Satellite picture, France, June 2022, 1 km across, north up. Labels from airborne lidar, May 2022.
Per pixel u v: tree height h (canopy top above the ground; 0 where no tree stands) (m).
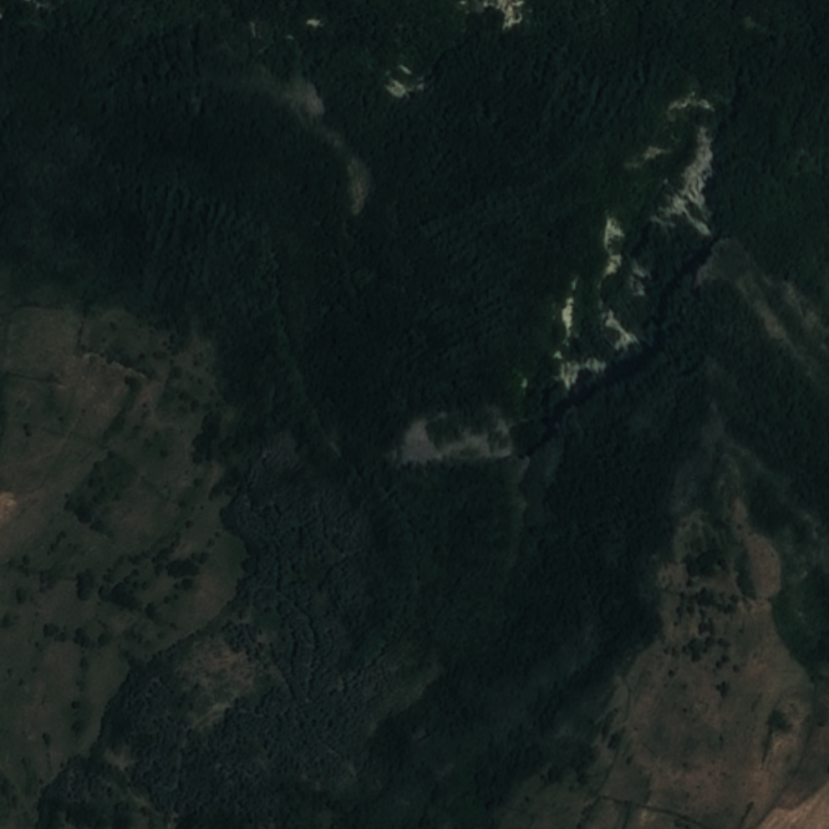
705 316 11
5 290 0
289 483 14
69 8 18
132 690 18
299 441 16
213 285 8
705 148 0
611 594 12
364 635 14
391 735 20
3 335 0
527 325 20
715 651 0
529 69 10
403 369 17
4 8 7
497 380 16
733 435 10
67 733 0
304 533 16
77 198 14
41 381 0
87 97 23
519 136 24
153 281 7
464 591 12
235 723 21
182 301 10
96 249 11
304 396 20
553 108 19
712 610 0
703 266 10
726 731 0
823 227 14
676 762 0
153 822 6
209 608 0
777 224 12
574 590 17
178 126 18
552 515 6
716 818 0
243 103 15
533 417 12
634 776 0
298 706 23
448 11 11
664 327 6
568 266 15
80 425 0
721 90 7
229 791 23
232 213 16
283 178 16
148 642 8
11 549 0
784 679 0
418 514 11
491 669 8
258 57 7
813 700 0
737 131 15
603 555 9
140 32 22
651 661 0
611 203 7
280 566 19
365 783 7
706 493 7
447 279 19
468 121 21
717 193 17
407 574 19
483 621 20
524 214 22
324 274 19
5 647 0
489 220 29
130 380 8
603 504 18
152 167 18
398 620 24
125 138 25
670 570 0
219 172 18
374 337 17
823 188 14
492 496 17
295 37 7
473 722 12
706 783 0
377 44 7
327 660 20
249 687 0
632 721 0
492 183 21
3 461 0
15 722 0
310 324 10
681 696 0
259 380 13
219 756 17
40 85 18
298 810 11
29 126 15
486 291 22
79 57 15
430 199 17
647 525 16
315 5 15
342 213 14
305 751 19
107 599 13
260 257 17
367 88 14
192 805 17
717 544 6
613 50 13
